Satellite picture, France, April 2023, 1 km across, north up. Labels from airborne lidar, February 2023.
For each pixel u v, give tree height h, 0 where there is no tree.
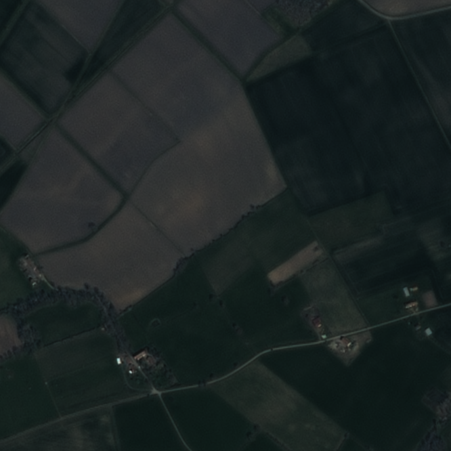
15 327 0
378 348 0
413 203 0
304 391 0
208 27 0
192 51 0
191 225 0
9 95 0
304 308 0
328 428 0
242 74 0
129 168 0
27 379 0
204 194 0
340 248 0
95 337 0
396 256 0
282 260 0
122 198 0
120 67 0
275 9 0
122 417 0
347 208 0
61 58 0
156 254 0
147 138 0
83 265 0
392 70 0
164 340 0
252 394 0
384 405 0
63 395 0
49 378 0
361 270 0
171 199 0
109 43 0
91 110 0
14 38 0
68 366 0
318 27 0
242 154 0
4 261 0
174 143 0
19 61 0
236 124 0
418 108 0
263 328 0
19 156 0
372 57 0
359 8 0
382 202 0
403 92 0
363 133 0
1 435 0
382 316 0
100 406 0
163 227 0
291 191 0
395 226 0
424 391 0
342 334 0
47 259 0
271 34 0
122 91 0
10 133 0
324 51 0
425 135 0
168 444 0
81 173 0
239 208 0
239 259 0
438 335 0
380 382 0
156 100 0
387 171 0
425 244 0
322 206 0
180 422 0
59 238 0
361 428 0
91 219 0
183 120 0
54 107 0
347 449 0
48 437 0
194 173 0
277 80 0
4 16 0
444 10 0
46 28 0
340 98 0
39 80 0
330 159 0
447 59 0
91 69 0
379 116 0
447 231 0
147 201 0
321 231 0
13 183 0
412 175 0
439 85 0
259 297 0
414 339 0
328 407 0
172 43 0
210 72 0
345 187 0
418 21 0
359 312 0
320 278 0
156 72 0
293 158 0
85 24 0
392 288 0
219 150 0
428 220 0
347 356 0
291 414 0
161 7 0
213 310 0
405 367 0
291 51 0
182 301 0
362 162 0
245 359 0
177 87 0
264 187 0
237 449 0
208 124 0
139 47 0
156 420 0
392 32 0
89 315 0
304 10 20
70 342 0
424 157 0
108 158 0
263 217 0
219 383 0
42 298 14
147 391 0
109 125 0
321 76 0
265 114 0
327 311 0
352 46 0
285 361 0
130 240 0
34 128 0
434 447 20
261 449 0
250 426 0
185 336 0
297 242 0
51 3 0
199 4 0
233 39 0
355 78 0
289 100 0
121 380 0
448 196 0
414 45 0
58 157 0
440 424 12
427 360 0
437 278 0
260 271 0
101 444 0
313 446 0
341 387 0
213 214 0
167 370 7
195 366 0
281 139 0
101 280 0
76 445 0
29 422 0
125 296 0
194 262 0
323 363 0
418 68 0
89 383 0
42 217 0
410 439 0
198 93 0
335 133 0
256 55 0
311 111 0
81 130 0
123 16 0
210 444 0
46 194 0
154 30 0
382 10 0
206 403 0
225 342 0
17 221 0
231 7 0
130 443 0
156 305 0
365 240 0
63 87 0
